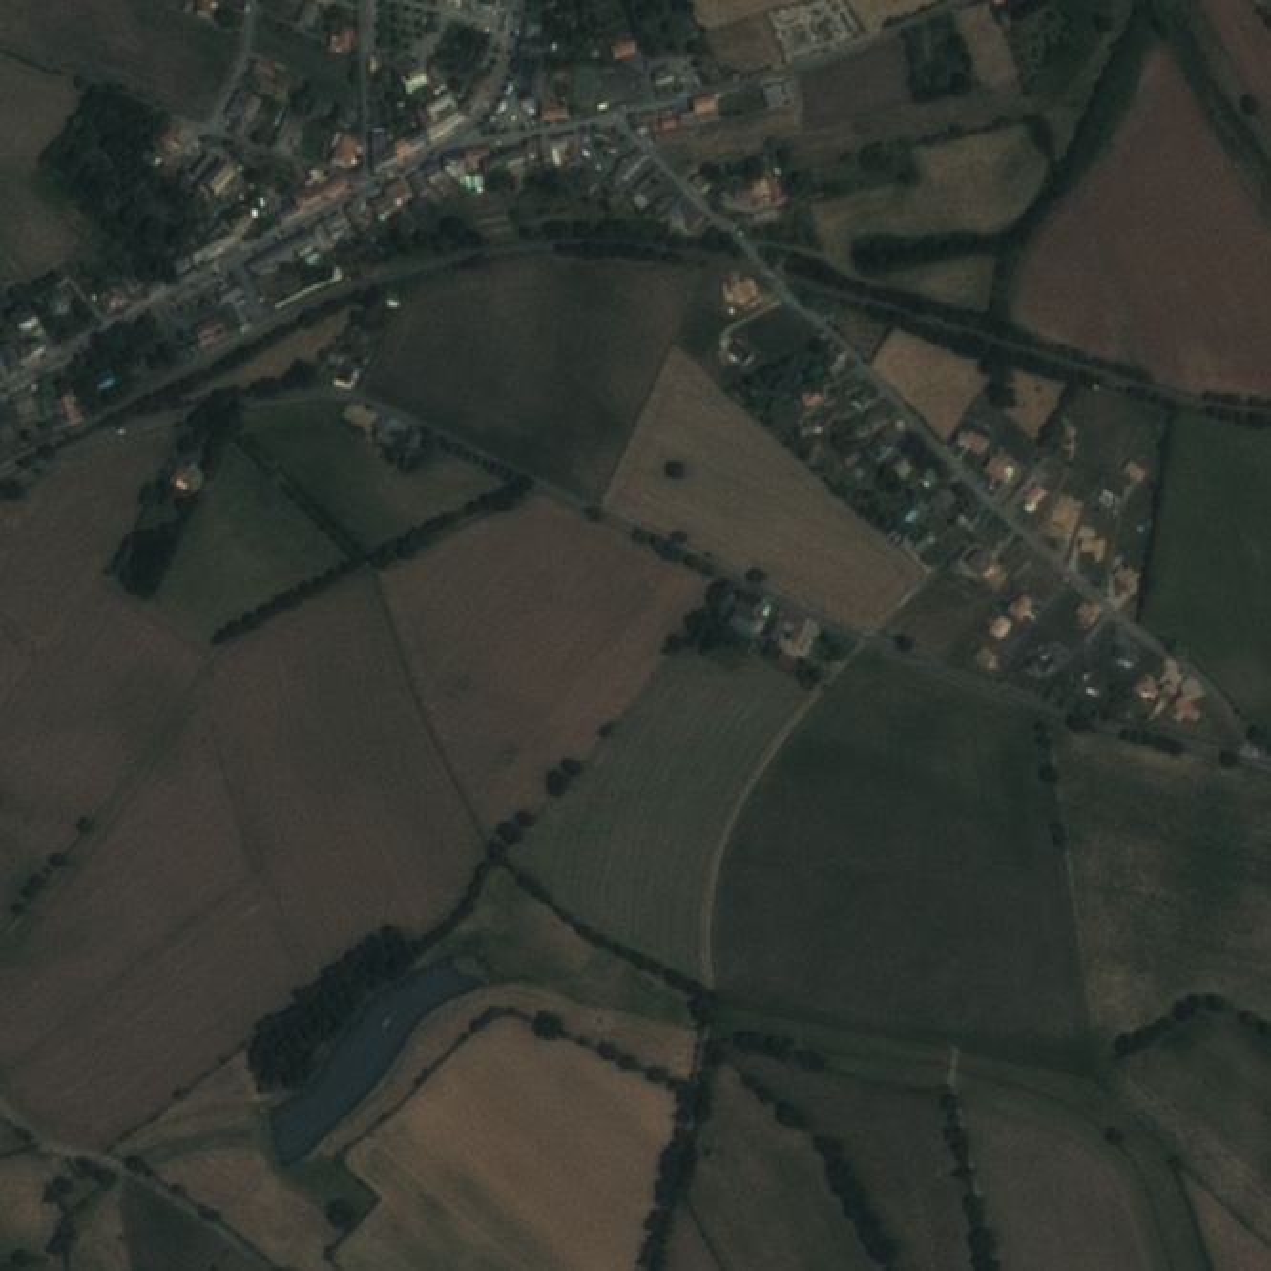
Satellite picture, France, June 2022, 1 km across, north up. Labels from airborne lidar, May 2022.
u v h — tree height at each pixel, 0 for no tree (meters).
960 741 0
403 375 0
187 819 0
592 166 0
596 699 0
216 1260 0
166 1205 0
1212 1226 0
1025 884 0
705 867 0
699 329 0
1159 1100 0
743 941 0
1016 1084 0
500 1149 0
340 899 0
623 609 0
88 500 0
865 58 0
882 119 0
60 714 0
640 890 0
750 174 13
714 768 0
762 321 0
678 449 0
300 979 0
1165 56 0
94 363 13
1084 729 13
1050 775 16
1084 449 0
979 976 0
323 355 10
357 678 0
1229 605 0
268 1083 14
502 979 0
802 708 0
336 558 0
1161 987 0
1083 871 0
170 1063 0
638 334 0
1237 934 0
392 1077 0
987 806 0
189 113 0
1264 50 0
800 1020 0
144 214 11
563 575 0
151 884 0
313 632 0
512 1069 0
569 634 0
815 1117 0
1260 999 0
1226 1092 0
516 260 0
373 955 18
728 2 0
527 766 0
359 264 6
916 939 0
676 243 15
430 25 8
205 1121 0
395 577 0
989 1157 0
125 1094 0
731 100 0
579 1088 0
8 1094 0
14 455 0
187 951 0
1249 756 0
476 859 0
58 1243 13
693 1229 0
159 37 0
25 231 0
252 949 0
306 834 0
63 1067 0
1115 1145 15
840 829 0
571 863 0
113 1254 0
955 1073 0
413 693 0
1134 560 0
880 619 0
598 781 0
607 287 0
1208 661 0
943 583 0
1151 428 0
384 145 0
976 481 0
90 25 0
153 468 0
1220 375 0
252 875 0
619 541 0
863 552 0
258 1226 0
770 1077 0
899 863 0
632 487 0
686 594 0
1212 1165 0
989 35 0
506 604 0
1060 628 0
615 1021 0
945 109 0
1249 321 0
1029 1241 0
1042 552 0
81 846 0
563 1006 0
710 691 0
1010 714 0
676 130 0
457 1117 0
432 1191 0
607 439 0
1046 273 0
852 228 0
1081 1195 0
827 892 0
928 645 0
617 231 7
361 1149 0
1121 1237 0
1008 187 0
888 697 0
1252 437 0
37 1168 0
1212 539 0
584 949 0
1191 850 0
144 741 0
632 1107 0
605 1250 0
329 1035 12
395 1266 0
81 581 0
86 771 0
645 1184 0
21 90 0
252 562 0
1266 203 0
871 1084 0
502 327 0
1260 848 0
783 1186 0
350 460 0
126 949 0
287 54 0
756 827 0
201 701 0
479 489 0
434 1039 0
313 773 0
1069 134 0
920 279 0
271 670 0
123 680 0
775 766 0
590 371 0
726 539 0
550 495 0
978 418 0
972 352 12
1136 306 0
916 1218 0
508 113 0
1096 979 0
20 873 0
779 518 0
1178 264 0
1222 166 0
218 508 0
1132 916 0
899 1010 0
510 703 0
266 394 15
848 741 0
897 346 0
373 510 0
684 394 0
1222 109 0
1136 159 0
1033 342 10
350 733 0
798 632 0
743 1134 0
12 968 0
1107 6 0
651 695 0
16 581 0
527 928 0
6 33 0
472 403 0
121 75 0
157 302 0
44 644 0
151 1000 0
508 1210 0
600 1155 0
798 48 0
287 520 0
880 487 6
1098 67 0
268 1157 0
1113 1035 0
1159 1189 0
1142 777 0
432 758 0
